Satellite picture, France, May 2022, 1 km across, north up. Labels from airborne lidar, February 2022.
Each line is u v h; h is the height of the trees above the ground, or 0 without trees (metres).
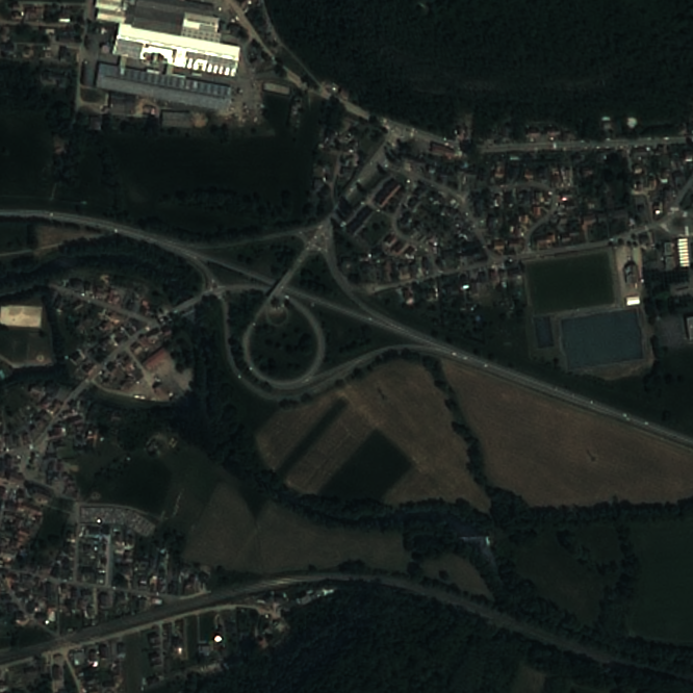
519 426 0
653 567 0
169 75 0
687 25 24
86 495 0
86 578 0
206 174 0
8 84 15
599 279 0
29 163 0
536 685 0
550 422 0
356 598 15
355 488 0
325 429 0
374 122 13
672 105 17
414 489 0
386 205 6
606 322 0
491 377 0
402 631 24
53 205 0
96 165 0
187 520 0
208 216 0
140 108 0
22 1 0
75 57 0
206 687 22
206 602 0
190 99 0
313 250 0
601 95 12
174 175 0
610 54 10
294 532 0
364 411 0
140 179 0
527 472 0
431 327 0
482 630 29
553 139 0
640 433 0
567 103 8
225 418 17
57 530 0
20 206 0
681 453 0
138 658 0
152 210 0
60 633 0
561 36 15
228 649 0
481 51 14
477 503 0
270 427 0
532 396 0
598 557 0
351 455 0
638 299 0
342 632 17
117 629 0
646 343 0
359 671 24
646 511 19
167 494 0
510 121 0
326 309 0
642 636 0
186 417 39
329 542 0
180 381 0
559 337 0
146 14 0
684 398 0
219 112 0
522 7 19
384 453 0
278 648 0
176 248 0
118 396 0
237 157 0
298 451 0
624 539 12
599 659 0
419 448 0
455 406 17
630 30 19
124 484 0
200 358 16
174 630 0
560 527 18
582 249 0
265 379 0
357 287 0
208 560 0
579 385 0
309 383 0
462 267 0
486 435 0
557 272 0
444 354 0
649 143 0
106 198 0
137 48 0
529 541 26
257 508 0
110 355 0
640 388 0
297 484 0
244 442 22
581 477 0
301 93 11
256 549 0
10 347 0
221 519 0
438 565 0
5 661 0
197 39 0
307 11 16
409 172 0
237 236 17
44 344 0
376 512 20
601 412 0
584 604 0
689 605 0
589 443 0
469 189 0
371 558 0
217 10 0
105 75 0
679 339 0
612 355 0
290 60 0
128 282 0
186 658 0
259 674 17
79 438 9
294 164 0
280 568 0
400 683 27
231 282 0
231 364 0
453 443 0
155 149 0
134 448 10
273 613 0
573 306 0
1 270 16
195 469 0
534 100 9
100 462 0
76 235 0
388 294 0
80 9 0
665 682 21
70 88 6
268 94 0
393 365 0
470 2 23
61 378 19
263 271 0
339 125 17
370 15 7
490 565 15
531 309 0
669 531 0
